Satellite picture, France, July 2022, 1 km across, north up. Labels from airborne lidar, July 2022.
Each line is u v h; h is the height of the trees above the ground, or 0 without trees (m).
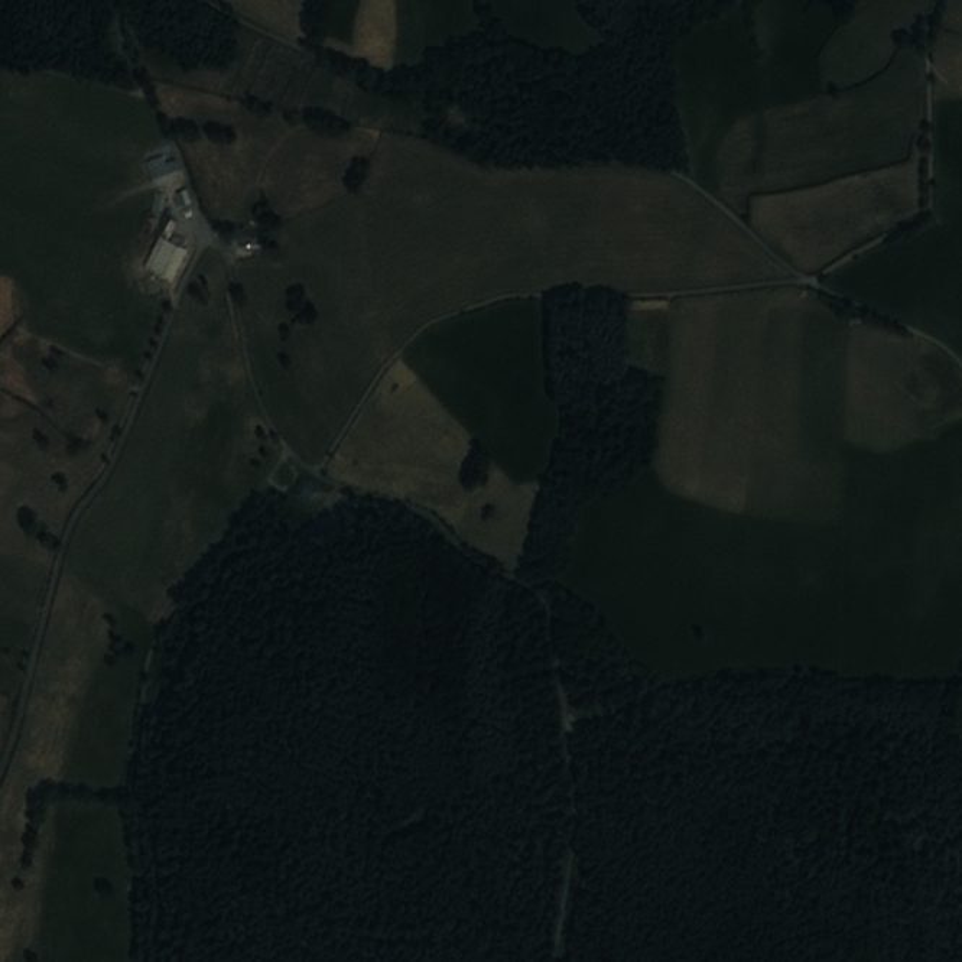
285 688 23
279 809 20
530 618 17
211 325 0
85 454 0
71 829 0
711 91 0
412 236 0
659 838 24
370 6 0
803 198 0
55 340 0
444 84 18
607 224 0
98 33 15
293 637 15
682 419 0
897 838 12
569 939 16
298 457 0
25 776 0
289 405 0
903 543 0
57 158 0
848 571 0
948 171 0
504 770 18
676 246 0
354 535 24
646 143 26
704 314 0
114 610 0
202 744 17
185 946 24
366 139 0
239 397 0
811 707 18
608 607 0
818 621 0
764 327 0
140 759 18
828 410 0
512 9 0
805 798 21
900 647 0
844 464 0
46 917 0
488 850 24
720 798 28
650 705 31
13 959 0
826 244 0
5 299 0
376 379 0
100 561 0
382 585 20
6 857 0
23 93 0
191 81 0
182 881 25
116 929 0
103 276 0
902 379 0
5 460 0
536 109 22
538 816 8
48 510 0
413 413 0
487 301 0
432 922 19
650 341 0
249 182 0
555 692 16
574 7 0
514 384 0
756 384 0
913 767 18
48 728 0
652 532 0
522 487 0
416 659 17
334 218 0
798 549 0
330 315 0
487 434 0
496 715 14
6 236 0
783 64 0
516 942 24
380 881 26
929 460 0
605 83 21
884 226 0
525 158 17
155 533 0
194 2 12
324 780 21
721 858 20
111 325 0
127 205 0
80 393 0
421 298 0
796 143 0
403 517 24
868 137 0
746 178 0
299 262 0
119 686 0
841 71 0
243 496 0
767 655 0
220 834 18
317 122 18
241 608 22
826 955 20
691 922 27
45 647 0
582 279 0
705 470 0
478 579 17
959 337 0
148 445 0
